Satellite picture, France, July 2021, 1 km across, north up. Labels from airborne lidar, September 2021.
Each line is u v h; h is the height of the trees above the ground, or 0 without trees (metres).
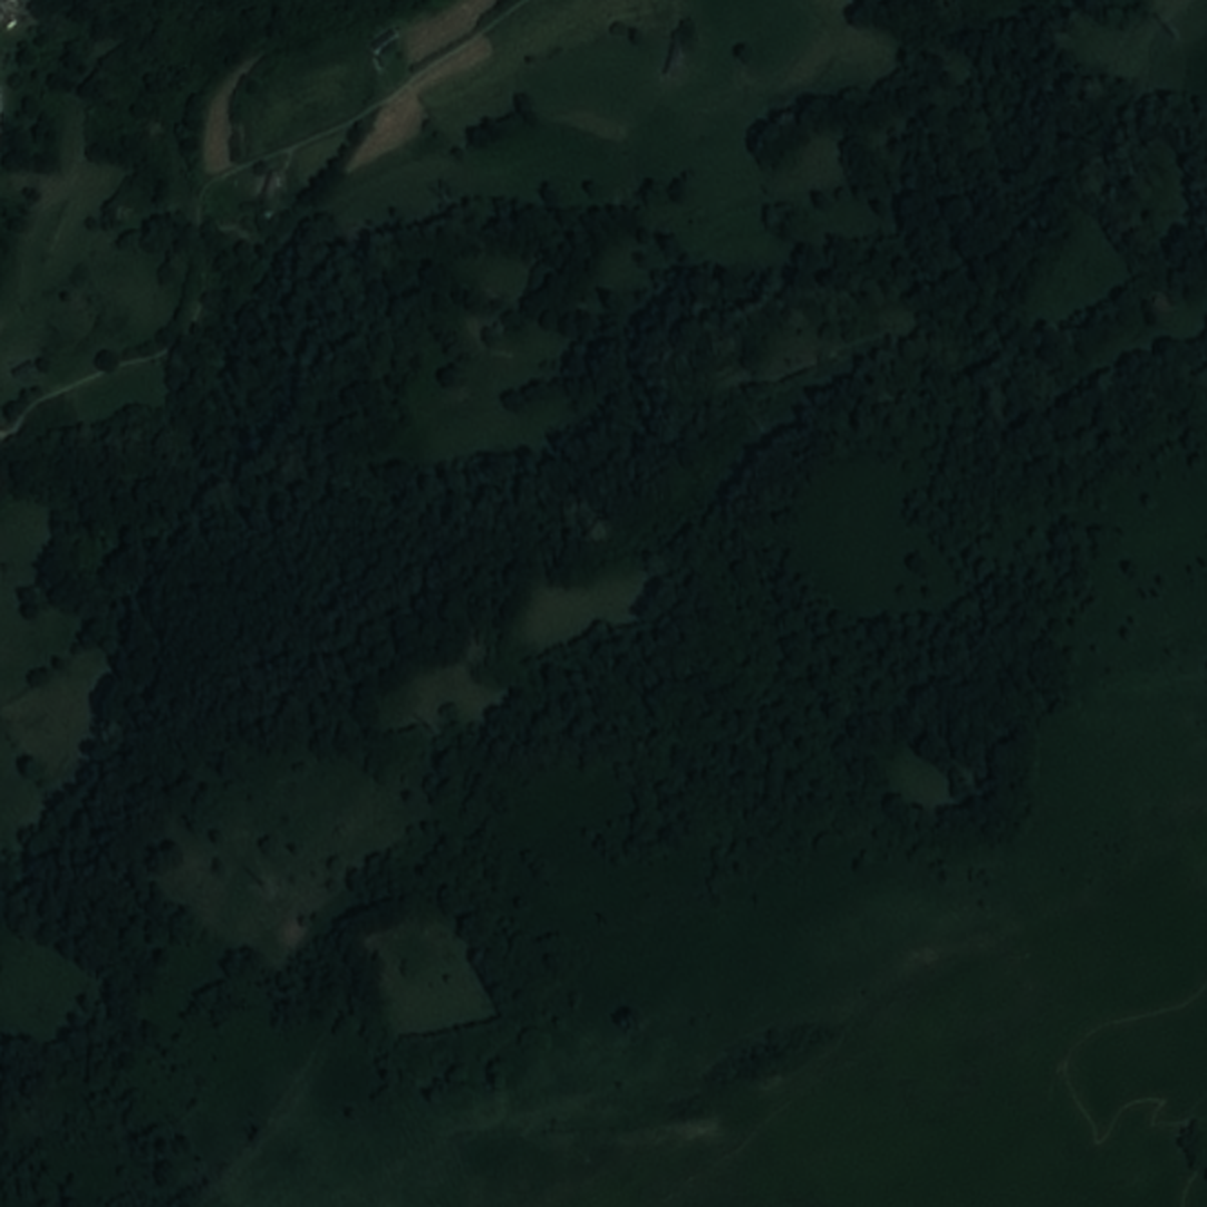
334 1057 0
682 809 15
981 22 7
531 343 0
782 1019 0
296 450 23
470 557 26
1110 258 0
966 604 13
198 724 26
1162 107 16
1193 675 0
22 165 23
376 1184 0
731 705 17
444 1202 0
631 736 17
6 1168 10
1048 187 10
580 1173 0
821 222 0
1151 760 0
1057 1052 0
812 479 18
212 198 0
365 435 15
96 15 17
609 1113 0
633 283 0
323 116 0
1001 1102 0
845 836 9
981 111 7
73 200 0
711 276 9
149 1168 8
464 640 23
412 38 0
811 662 11
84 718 0
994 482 17
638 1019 23
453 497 9
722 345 25
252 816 0
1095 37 0
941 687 25
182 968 0
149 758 26
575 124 0
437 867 12
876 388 21
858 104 11
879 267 14
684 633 21
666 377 26
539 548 17
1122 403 24
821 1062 0
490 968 20
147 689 14
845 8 0
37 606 7
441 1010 0
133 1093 10
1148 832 0
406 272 12
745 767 20
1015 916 0
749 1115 0
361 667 17
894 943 0
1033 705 12
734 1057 6
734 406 11
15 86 15
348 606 24
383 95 0
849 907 0
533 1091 0
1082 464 13
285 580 17
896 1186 0
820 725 14
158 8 19
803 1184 0
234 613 24
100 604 19
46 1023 0
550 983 10
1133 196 22
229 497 21
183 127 15
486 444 0
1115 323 25
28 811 0
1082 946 0
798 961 0
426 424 0
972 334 7
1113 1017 0
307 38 8
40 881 25
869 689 11
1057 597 15
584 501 27
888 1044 0
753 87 0
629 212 18
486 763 12
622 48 0
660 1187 0
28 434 11
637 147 0
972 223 26
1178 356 25
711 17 0
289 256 15
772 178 0
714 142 0
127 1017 19
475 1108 0
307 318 14
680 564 11
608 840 11
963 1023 0
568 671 11
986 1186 0
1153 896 0
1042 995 0
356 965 22
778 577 8
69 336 0
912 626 10
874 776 14
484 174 0
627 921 0
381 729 11
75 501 12
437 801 10
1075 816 0
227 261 20
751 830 10
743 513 24
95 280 0
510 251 6
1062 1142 0
